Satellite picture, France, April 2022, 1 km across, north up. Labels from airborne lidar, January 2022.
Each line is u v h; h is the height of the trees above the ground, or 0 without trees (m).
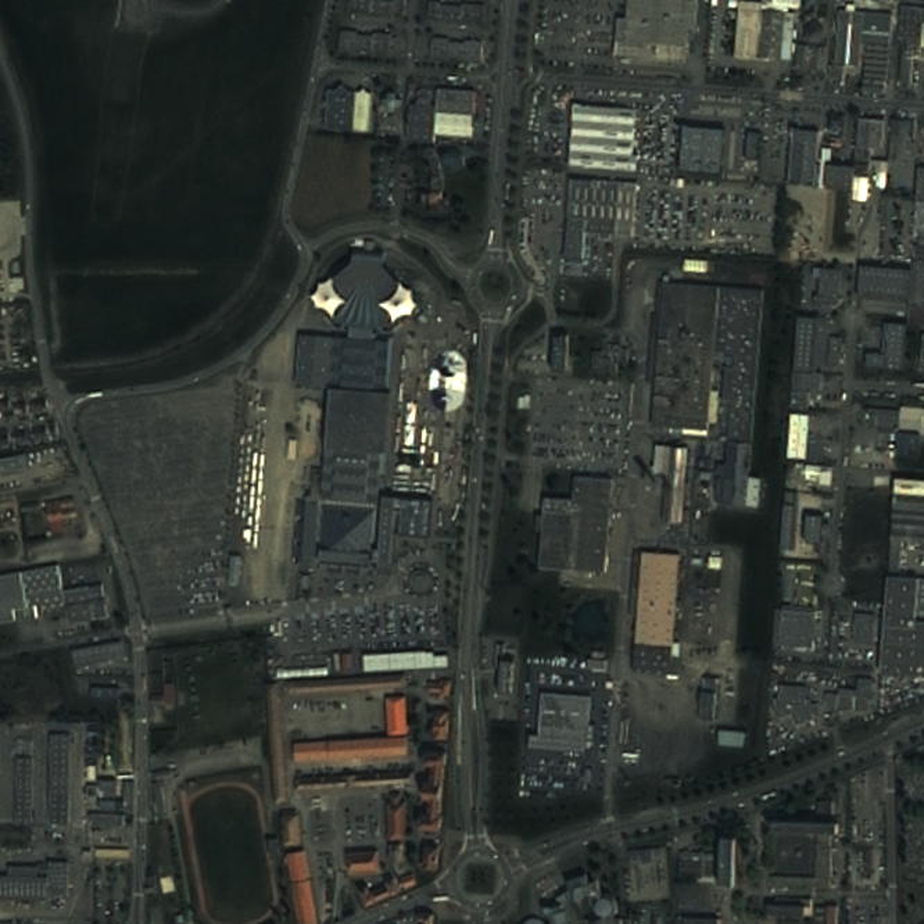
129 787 0
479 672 0
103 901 0
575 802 0
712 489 0
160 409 0
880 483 0
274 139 0
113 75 0
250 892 0
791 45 0
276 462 0
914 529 0
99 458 0
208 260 0
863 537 0
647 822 0
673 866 0
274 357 0
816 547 0
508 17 0
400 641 0
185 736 0
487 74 0
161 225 0
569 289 0
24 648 0
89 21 0
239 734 0
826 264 6
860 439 0
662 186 0
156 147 0
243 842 0
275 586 0
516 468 7
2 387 0
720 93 0
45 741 0
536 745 0
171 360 0
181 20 0
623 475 0
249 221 0
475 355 13
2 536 0
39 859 0
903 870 0
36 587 0
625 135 0
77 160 0
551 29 0
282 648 0
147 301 0
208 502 0
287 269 0
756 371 0
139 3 0
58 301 0
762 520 0
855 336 0
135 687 0
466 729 0
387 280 0
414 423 0
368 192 0
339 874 0
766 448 0
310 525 0
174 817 0
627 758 0
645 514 0
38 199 0
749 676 0
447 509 0
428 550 0
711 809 0
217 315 0
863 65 0
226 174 0
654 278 0
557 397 0
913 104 0
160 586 0
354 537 0
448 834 0
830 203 0
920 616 0
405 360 0
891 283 0
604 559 0
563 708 0
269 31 0
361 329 0
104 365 0
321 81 0
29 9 0
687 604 0
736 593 0
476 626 0
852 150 0
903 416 0
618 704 0
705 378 0
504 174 0
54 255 0
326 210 0
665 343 0
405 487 0
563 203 0
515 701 0
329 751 0
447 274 0
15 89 0
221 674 0
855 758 0
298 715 0
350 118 0
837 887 0
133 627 0
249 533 0
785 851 0
